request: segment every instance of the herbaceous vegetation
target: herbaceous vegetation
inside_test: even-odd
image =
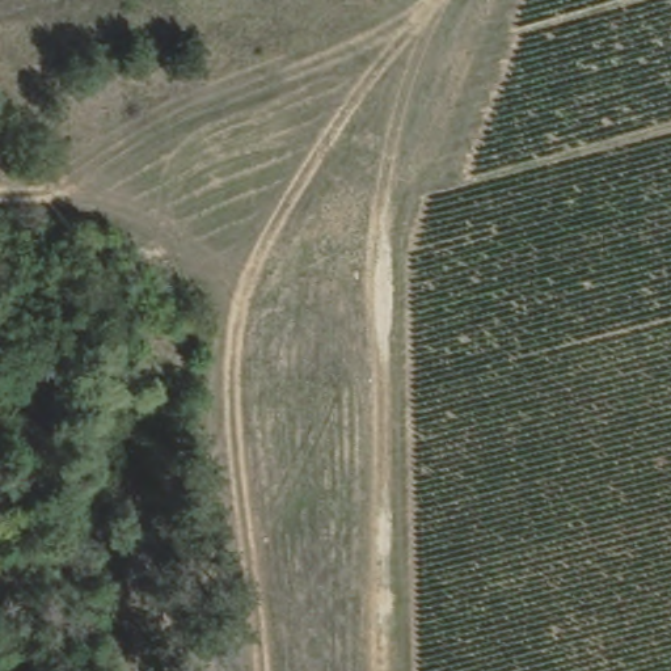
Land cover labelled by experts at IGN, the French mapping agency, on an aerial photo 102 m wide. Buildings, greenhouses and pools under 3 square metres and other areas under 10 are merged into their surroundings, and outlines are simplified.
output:
[[[398,58],[383,73],[375,89],[367,94],[362,110],[346,126],[336,149],[325,155],[315,181],[299,199],[280,239],[275,241],[273,254],[267,257],[259,273],[254,296],[249,301],[241,359],[241,412],[249,493],[257,516],[257,548],[262,558],[262,592],[262,608],[270,624],[273,671],[370,671],[370,550],[375,545],[375,527],[370,519],[372,427],[367,356],[375,317],[372,312],[367,312],[364,299],[364,254],[380,155],[370,147],[356,147],[354,134],[383,134],[393,100],[393,86],[404,71],[406,58]]]
[[[152,39],[144,24],[155,18],[173,18],[181,29],[194,26],[199,31],[199,39],[204,45],[207,79],[170,79],[163,68],[157,68],[142,79],[115,76],[84,100],[79,94],[66,94],[58,134],[71,136],[71,147],[60,176],[66,176],[68,183],[76,183],[79,194],[71,202],[79,210],[102,212],[107,220],[126,225],[131,231],[136,252],[144,259],[155,259],[160,267],[170,267],[176,275],[197,280],[199,288],[210,296],[212,307],[225,320],[241,267],[249,259],[249,252],[275,199],[283,194],[288,178],[304,160],[320,128],[328,123],[330,113],[343,102],[356,76],[377,55],[377,47],[364,50],[349,63],[333,66],[320,73],[309,73],[296,81],[283,81],[280,73],[294,60],[320,52],[341,39],[349,39],[359,31],[377,26],[380,21],[401,10],[409,10],[417,0],[0,0],[0,94],[13,105],[24,105],[26,100],[31,100],[42,110],[50,110],[58,102],[52,92],[55,79],[71,71],[71,52],[94,52],[94,45],[107,45],[110,39]]]
[[[252,671],[252,645],[244,650],[231,647],[228,653],[223,653],[223,658],[212,658],[204,671]]]
[[[215,336],[210,346],[212,362],[207,370],[207,391],[212,401],[199,414],[204,432],[218,440],[223,438],[220,393],[225,328]]]
[[[485,142],[485,131],[490,128],[495,102],[503,92],[514,55],[524,34],[519,26],[519,13],[524,0],[451,0],[443,8],[440,24],[432,31],[422,76],[414,86],[412,110],[401,136],[393,191],[391,671],[419,671],[412,254],[417,252],[430,197],[474,183],[474,157]]]

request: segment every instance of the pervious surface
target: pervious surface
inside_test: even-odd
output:
[[[336,149],[346,126],[362,110],[367,94],[375,89],[383,73],[398,58],[406,58],[404,71],[393,86],[393,100],[383,134],[354,134],[356,147],[370,147],[380,155],[364,254],[364,299],[367,312],[372,312],[375,317],[367,356],[372,427],[370,519],[375,527],[375,545],[370,550],[370,671],[391,671],[393,191],[401,136],[412,110],[414,86],[422,76],[432,31],[440,24],[443,8],[451,0],[417,0],[409,10],[401,10],[380,21],[377,26],[359,31],[349,39],[341,39],[320,52],[294,60],[280,73],[283,81],[296,81],[309,73],[320,73],[333,66],[349,63],[364,50],[377,47],[377,55],[356,76],[343,102],[330,113],[328,123],[320,128],[304,160],[288,178],[283,194],[275,199],[249,252],[249,259],[241,267],[225,320],[225,328],[220,393],[223,438],[218,440],[210,448],[210,456],[225,467],[228,477],[228,490],[220,498],[223,506],[231,511],[228,522],[233,529],[233,540],[228,543],[228,548],[239,553],[244,577],[252,579],[254,590],[262,592],[262,558],[257,548],[257,516],[249,493],[241,412],[241,359],[249,301],[254,296],[259,273],[267,257],[273,254],[275,241],[280,239],[299,199],[315,181],[325,155]]]
[[[66,176],[60,176],[50,183],[29,183],[5,173],[0,176],[0,212],[16,210],[21,202],[71,202],[79,194],[76,183],[68,183]]]
[[[273,671],[270,624],[262,608],[254,608],[249,613],[249,626],[259,634],[259,642],[252,645],[252,671]]]

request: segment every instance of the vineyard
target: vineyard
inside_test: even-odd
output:
[[[412,254],[419,671],[671,671],[671,0],[524,0],[519,13],[519,26],[524,34],[514,55],[503,92],[495,102],[490,128],[485,131],[485,142],[474,157],[474,183],[430,197],[417,252]]]

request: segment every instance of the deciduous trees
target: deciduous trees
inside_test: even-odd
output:
[[[66,94],[79,94],[84,100],[115,76],[142,79],[157,68],[163,68],[170,79],[207,79],[204,45],[199,39],[199,31],[194,26],[181,29],[173,18],[155,18],[144,24],[152,39],[110,39],[107,45],[94,45],[94,52],[71,52],[71,71],[55,79],[52,92],[58,102],[50,110],[42,110],[31,100],[26,100],[24,105],[13,105],[0,94],[0,176],[5,173],[29,183],[50,183],[60,176],[71,147],[71,136],[58,134]]]
[[[225,467],[210,456],[210,448],[218,440],[204,432],[199,414],[212,401],[207,391],[207,370],[212,362],[210,346],[215,336],[225,328],[225,320],[212,307],[210,296],[199,288],[197,280],[176,275],[170,267],[160,267],[155,259],[144,259],[136,252],[131,231],[126,225],[107,220],[102,212],[79,210],[71,202],[21,202],[16,210],[0,212],[0,671],[204,671],[212,658],[223,658],[223,653],[228,653],[231,647],[244,650],[252,645],[259,642],[259,634],[249,626],[249,613],[254,608],[262,608],[262,592],[254,590],[252,579],[244,577],[239,553],[228,548],[228,543],[233,540],[233,529],[228,522],[231,511],[223,506],[220,498],[228,490],[228,477]]]

